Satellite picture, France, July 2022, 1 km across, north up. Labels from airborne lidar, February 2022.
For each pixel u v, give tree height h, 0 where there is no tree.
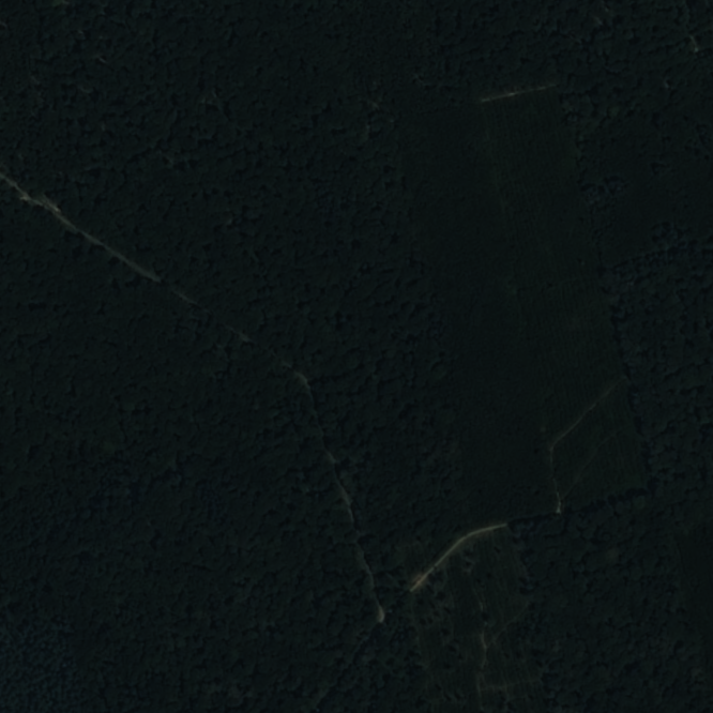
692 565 6
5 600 27
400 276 28
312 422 25
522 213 6
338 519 28
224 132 30
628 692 27
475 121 15
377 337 31
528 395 13
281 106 30
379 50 15
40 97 14
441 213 16
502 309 16
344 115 29
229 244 30
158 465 18
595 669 28
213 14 28
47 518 25
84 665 25
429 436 22
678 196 14
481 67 31
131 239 25
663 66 26
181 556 24
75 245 26
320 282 30
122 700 23
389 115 16
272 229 25
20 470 25
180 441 24
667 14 29
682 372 31
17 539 21
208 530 26
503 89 29
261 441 27
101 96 29
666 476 31
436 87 14
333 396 28
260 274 19
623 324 28
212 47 27
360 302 26
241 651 19
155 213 27
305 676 24
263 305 27
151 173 28
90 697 27
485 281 16
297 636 26
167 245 28
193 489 26
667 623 23
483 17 19
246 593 24
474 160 15
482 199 15
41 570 24
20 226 27
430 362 28
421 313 27
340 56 28
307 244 25
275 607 23
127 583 24
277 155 26
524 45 29
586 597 32
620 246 15
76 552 26
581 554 27
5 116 21
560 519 13
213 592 25
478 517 13
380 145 26
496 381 14
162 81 27
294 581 29
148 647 26
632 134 13
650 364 31
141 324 29
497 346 15
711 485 30
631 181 13
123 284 28
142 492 27
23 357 27
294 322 26
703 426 10
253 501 25
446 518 25
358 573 28
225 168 29
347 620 24
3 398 24
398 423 21
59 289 23
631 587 24
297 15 24
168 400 27
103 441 29
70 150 22
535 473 14
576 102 28
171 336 28
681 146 18
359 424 14
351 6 19
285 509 29
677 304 31
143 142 30
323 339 27
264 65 28
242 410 24
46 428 24
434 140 15
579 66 29
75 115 27
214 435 24
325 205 29
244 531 29
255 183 27
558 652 28
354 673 23
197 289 27
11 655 34
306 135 29
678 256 25
